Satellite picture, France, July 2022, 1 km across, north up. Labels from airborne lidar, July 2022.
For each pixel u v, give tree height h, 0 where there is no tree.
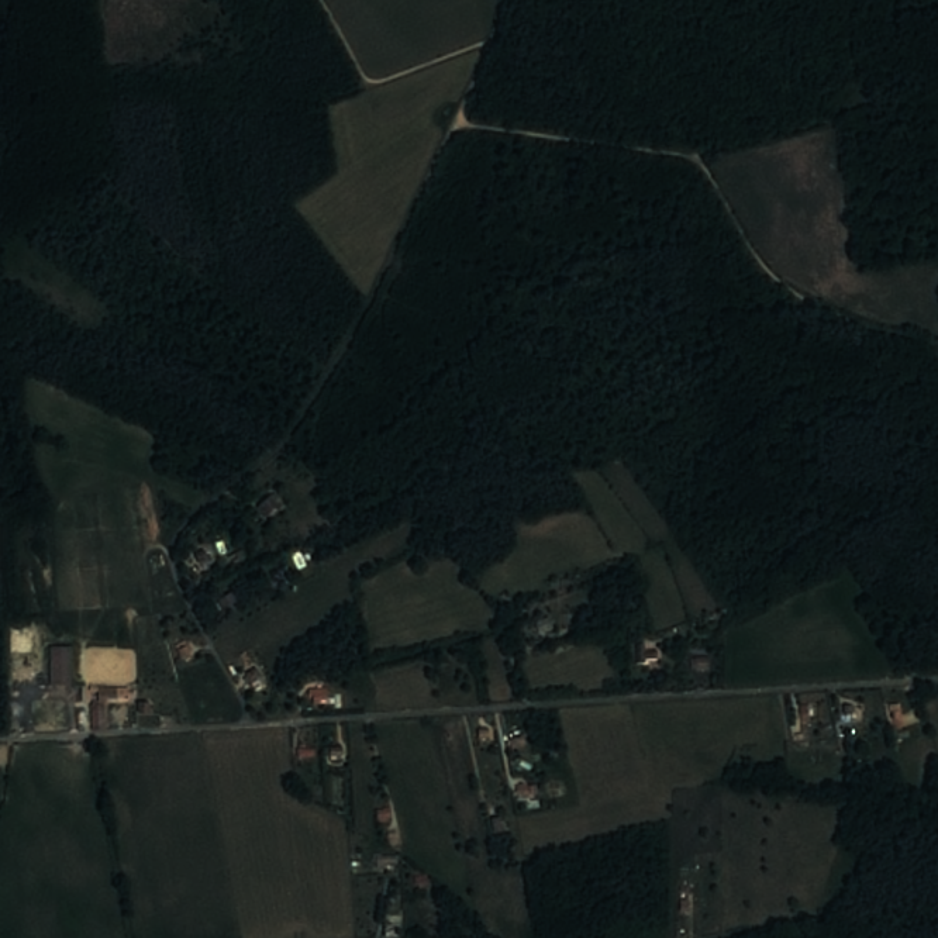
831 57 16
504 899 0
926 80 17
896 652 19
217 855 0
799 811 0
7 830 0
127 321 11
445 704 0
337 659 18
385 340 8
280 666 13
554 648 14
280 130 9
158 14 0
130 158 12
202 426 18
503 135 8
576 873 17
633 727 0
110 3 0
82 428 0
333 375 7
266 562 11
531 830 0
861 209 11
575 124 20
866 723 0
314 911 0
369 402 8
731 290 18
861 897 24
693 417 5
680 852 0
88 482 0
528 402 18
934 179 14
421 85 0
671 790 0
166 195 14
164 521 7
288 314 12
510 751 10
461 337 7
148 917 0
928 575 22
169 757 0
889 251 12
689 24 17
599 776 0
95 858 0
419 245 7
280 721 0
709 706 0
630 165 7
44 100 21
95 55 15
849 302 0
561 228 7
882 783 25
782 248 0
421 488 22
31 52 21
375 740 10
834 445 23
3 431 14
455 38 0
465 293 6
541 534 0
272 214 12
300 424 6
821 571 20
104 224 23
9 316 18
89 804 0
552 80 19
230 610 17
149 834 0
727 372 17
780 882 0
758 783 17
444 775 0
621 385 7
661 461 10
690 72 16
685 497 13
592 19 14
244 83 8
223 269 11
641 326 21
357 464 7
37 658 0
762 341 25
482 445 22
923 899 23
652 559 0
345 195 0
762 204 0
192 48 12
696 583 0
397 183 0
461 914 18
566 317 14
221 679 0
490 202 20
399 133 0
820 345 20
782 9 14
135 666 0
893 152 16
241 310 8
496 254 7
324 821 0
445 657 12
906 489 19
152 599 0
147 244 10
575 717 0
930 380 19
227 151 6
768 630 0
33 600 0
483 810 13
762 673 0
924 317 0
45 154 22
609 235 6
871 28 17
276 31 12
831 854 0
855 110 8
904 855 26
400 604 0
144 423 13
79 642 0
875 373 22
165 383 24
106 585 0
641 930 6
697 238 16
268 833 0
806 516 22
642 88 15
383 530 15
